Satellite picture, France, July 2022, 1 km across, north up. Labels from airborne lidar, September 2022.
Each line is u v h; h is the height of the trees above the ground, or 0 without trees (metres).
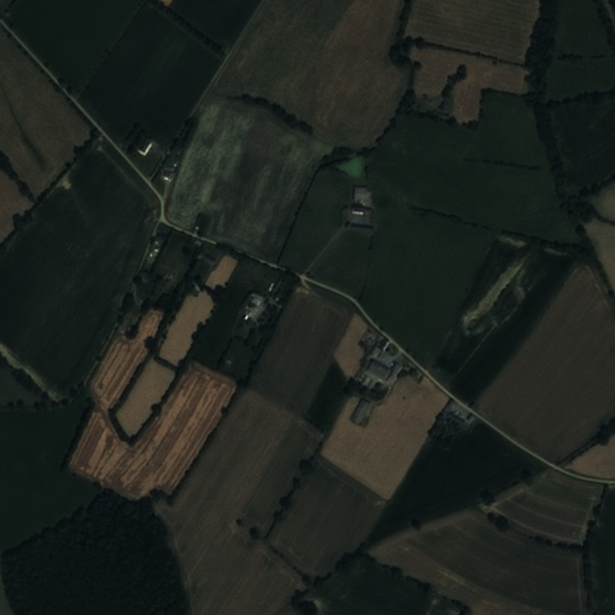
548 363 0
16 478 0
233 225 0
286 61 0
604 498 7
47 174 0
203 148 0
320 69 0
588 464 0
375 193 0
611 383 0
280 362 0
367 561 14
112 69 0
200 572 0
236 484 0
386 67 0
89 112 0
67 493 0
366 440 0
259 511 0
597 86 0
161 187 0
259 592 0
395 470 0
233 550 0
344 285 0
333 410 0
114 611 12
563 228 0
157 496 17
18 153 0
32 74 0
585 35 0
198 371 0
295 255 0
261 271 0
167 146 0
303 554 0
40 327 0
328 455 0
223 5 0
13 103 0
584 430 0
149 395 0
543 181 0
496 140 0
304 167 0
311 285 0
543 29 24
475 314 0
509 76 0
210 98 0
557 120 0
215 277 0
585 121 0
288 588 0
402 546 0
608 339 0
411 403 0
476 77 0
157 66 0
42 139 0
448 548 0
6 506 0
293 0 0
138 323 7
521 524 0
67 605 12
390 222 0
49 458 0
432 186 0
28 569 20
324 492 0
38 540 16
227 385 0
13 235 7
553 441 0
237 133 0
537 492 0
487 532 0
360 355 0
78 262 0
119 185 0
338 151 7
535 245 6
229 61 0
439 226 0
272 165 0
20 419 0
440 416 9
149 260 0
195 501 0
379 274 0
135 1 0
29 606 11
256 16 0
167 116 0
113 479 0
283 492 0
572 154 0
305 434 0
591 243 6
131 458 0
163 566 18
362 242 0
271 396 0
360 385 9
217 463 0
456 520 0
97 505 16
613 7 19
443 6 0
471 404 7
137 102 0
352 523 0
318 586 11
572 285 0
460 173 0
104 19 0
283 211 0
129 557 20
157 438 0
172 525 0
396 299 0
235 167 0
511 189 0
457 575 0
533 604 0
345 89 0
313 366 0
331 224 0
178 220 0
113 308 0
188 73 0
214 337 0
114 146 0
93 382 0
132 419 0
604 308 0
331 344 0
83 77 0
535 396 0
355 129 0
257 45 0
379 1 0
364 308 6
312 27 0
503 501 0
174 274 0
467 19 0
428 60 0
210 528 0
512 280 0
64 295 0
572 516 0
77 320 0
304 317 0
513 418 0
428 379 0
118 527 22
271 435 0
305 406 0
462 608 11
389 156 0
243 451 0
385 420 0
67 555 22
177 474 0
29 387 19
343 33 0
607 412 0
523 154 0
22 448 0
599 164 0
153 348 28
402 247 0
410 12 8
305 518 0
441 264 0
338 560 0
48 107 0
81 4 0
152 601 22
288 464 0
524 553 0
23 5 0
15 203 0
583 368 0
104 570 21
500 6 0
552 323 0
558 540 0
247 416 0
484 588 0
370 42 0
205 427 0
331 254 0
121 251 0
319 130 0
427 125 0
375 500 0
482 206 0
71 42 0
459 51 6
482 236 0
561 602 0
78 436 11
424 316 0
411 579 8
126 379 0
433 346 0
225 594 0
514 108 0
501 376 0
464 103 0
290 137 0
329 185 0
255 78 0
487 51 0
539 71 21
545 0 21
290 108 0
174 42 0
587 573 8
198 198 0
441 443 12
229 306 0
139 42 0
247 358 0
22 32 0
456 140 0
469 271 0
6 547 0
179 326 0
